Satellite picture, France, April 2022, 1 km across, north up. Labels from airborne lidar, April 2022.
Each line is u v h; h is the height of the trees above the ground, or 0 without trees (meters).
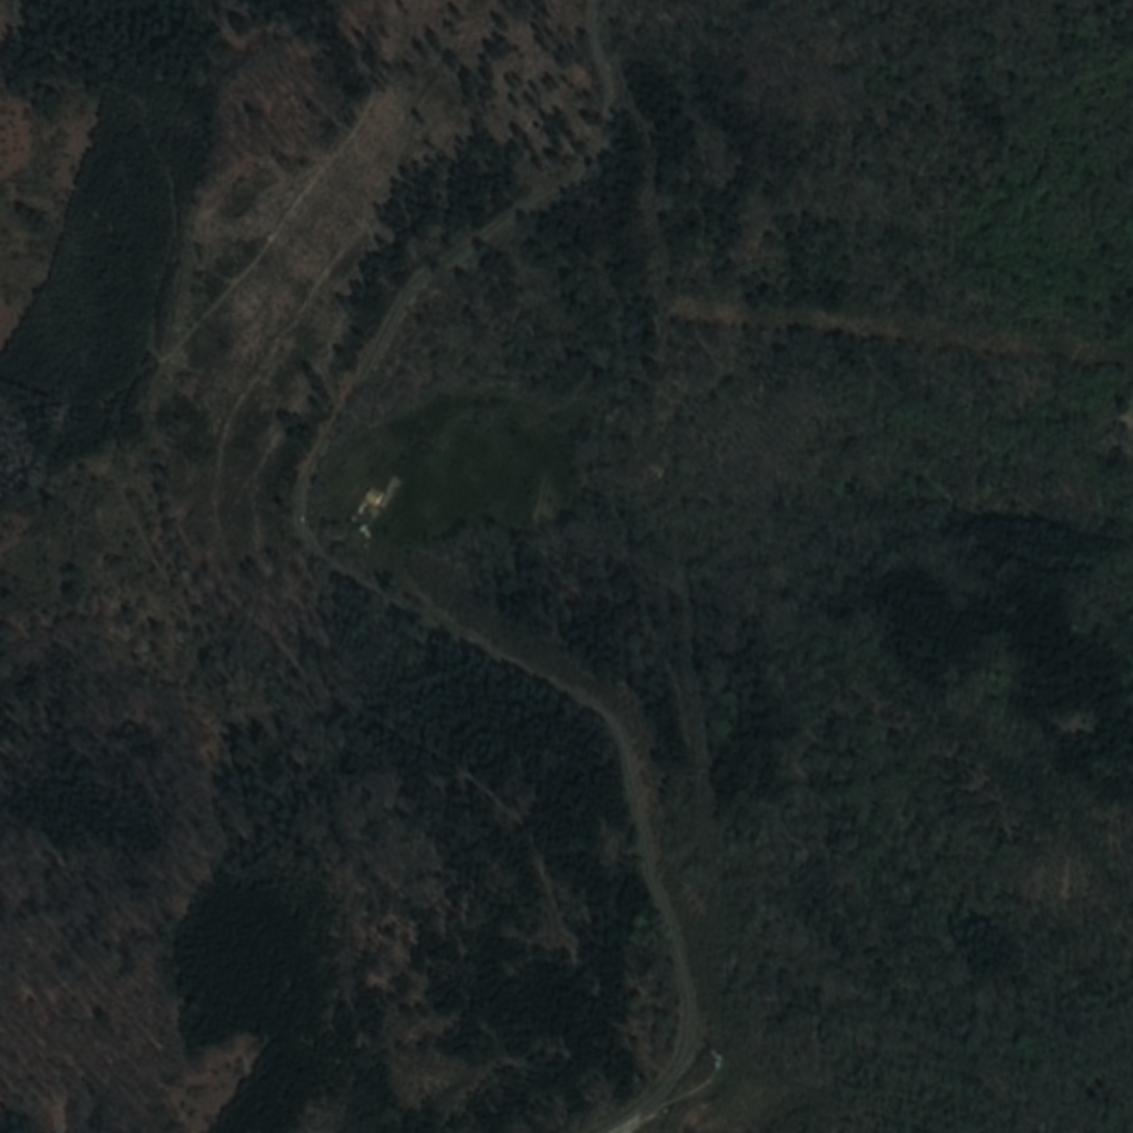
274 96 21
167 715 22
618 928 10
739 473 26
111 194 7
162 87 7
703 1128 0
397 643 27
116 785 22
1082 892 13
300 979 9
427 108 0
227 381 0
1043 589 28
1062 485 29
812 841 26
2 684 23
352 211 0
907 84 18
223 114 18
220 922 10
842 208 25
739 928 9
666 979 21
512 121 0
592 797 28
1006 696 25
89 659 17
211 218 0
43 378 7
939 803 20
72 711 24
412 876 24
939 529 27
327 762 22
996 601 23
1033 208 13
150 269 7
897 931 15
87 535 0
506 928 16
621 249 20
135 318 8
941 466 11
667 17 34
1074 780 23
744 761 11
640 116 8
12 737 26
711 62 10
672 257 8
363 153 0
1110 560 22
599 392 22
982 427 25
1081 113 10
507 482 0
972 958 29
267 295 0
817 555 28
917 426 18
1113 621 27
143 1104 20
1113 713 22
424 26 0
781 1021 13
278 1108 10
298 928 10
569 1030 11
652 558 28
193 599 14
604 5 9
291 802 7
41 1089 30
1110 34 19
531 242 7
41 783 21
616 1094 11
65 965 17
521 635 6
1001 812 18
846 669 16
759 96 28
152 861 18
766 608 27
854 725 24
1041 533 30
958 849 17
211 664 19
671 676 19
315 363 0
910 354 22
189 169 9
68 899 16
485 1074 17
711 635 25
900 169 7
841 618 22
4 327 0
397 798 27
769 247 19
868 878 22
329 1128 17
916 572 22
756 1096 0
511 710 22
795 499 29
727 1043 6
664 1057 18
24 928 27
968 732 13
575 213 19
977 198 8
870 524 20
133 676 13
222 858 9
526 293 19
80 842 24
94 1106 24
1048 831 13
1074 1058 19
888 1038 22
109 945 24
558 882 23
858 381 9
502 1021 20
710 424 28
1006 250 21
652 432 16
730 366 25
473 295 10
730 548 19
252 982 11
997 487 26
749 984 10
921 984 28
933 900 24
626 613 19
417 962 15
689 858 10
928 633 18
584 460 25
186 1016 11
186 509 0
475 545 26
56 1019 24
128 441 7
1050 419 11
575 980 18
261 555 0
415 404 26
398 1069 14
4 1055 26
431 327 7
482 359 6
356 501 0
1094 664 23
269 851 15
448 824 18
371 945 13
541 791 22
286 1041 11
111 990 24
